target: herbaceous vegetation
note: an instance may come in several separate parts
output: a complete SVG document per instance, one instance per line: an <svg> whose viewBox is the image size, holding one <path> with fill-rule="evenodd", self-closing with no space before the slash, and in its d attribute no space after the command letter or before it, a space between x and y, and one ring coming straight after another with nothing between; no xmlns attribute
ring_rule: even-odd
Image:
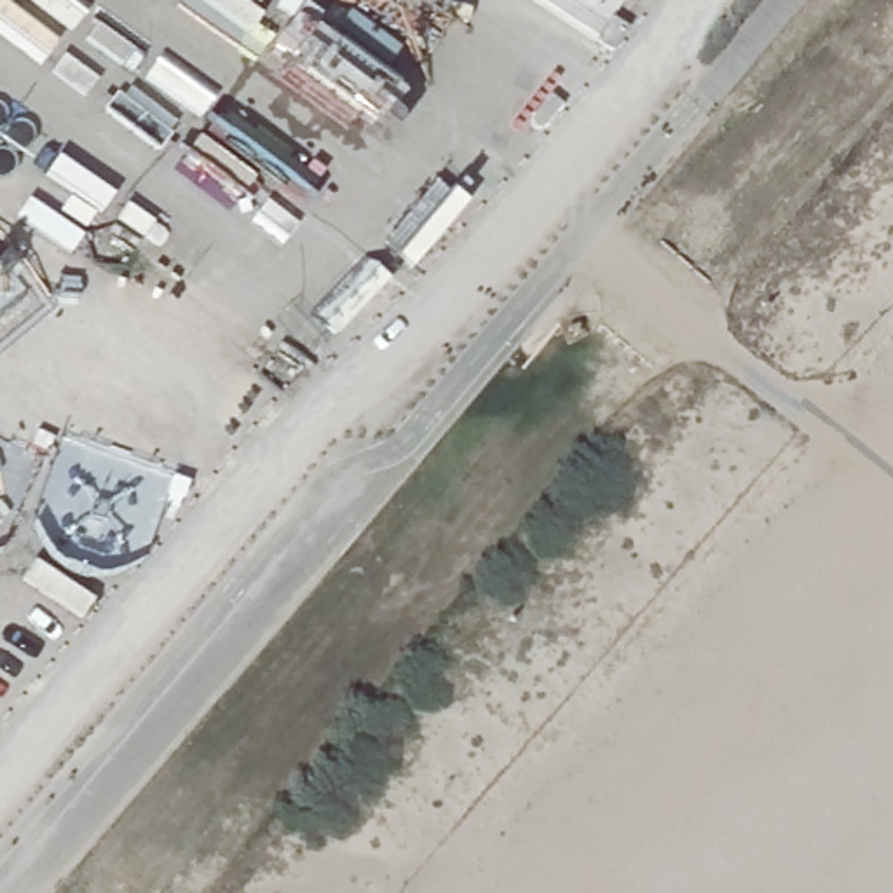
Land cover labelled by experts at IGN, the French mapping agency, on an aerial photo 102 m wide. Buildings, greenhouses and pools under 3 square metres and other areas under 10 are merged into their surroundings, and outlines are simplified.
<svg viewBox="0 0 893 893"><path fill-rule="evenodd" d="M614 394L593 394L590 380L596 373L603 338L593 331L586 314L562 317L558 335L537 359L523 352L513 352L513 359L502 363L488 387L440 436L440 443L391 495L391 502L370 520L356 544L335 562L321 586L297 607L283 631L209 708L209 715L195 726L195 733L188 733L188 740L167 757L167 764L147 781L147 788L115 816L115 823L94 841L94 848L77 862L77 869L59 883L56 893L244 893L255 872L286 872L310 848L300 834L290 834L283 823L276 823L265 837L255 823L272 809L279 792L286 792L286 778L300 771L300 764L307 764L310 753L321 753L314 746L314 736L335 726L335 705L352 694L352 680L377 684L391 666L391 656L412 649L412 638L426 635L436 614L457 596L460 576L481 562L481 551L502 537L523 534L523 516L544 492L551 492L555 467L565 464L565 457L572 453L576 436L596 426L624 429L631 450L638 453L642 474L649 478L656 453L673 450L673 443L684 436L687 412L705 401L712 387L733 387L750 405L750 419L771 419L778 408L771 401L764 401L736 373L701 359L663 366L635 387L635 394L621 401Z"/></svg>
<svg viewBox="0 0 893 893"><path fill-rule="evenodd" d="M760 0L715 0L722 14L715 28L705 35L701 63L715 63L729 49L729 42L740 35L740 28Z"/></svg>
<svg viewBox="0 0 893 893"><path fill-rule="evenodd" d="M572 638L579 645L586 642L576 624L565 621L562 607L583 607L596 600L583 590L579 572L596 551L603 551L607 537L596 527L586 530L572 558L551 558L541 565L537 586L527 593L523 614L513 614L509 607L488 596L474 610L464 610L447 624L440 642L453 652L453 666L447 670L453 701L467 691L467 673L488 673L513 684L516 670L506 666L506 659L530 663L534 645L548 645L555 638Z"/></svg>
<svg viewBox="0 0 893 893"><path fill-rule="evenodd" d="M764 335L781 317L781 283L802 276L823 279L834 255L851 244L851 230L869 216L872 195L893 181L893 0L855 0L844 10L844 17L827 17L820 28L806 35L799 56L757 91L757 112L729 115L715 136L694 140L666 171L645 171L638 185L642 195L628 195L621 202L621 223L645 244L670 248L712 290L729 283L729 335L771 366L774 352L767 349Z"/></svg>

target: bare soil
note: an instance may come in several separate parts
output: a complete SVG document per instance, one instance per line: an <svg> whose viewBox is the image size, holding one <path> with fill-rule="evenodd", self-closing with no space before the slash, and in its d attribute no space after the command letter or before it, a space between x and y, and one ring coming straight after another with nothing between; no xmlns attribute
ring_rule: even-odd
<svg viewBox="0 0 893 893"><path fill-rule="evenodd" d="M572 262L572 286L544 307L544 314L523 338L523 352L537 359L558 335L562 317L586 314L593 331L603 338L596 373L590 380L593 394L614 394L621 401L635 394L635 387L663 366L701 359L736 373L764 401L771 401L778 408L771 419L750 419L750 405L733 387L712 387L705 401L687 412L684 436L673 443L673 450L656 453L649 478L649 488L638 495L631 516L607 516L607 523L596 527L607 537L603 551L596 551L579 572L583 590L596 600L583 607L562 607L565 621L576 624L586 642L579 645L572 638L555 638L548 645L534 645L530 663L506 659L506 666L516 670L513 684L488 673L467 673L467 691L453 701L450 708L422 715L422 736L405 743L405 771L387 781L387 792L370 809L363 827L342 841L310 848L286 872L255 872L244 893L893 893L893 181L872 195L869 216L851 230L851 244L834 255L823 279L802 276L781 283L781 317L764 335L767 349L774 352L771 366L729 335L729 283L712 290L670 248L645 244L621 223L614 230L600 227L596 237L583 244L583 251Z"/></svg>

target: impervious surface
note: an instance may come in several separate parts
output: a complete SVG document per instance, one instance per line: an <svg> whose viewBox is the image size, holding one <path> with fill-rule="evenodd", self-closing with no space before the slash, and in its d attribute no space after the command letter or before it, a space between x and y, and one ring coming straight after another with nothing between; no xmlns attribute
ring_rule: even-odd
<svg viewBox="0 0 893 893"><path fill-rule="evenodd" d="M621 223L621 202L628 195L642 195L638 185L645 171L666 171L694 140L715 136L729 115L757 112L757 91L799 56L806 35L820 28L827 17L844 17L844 10L855 0L760 0L740 28L740 35L729 42L729 49L715 63L701 63L705 35L715 28L722 14L715 0L0 0L0 893L56 893L59 883L77 869L77 862L94 848L94 841L115 823L115 816L147 788L147 781L167 764L167 757L188 740L188 733L195 733L195 726L209 715L209 708L283 631L297 607L321 586L335 562L356 544L370 520L391 502L391 495L440 443L440 436L488 387L502 363L513 359L513 352L523 352L523 338L544 314L544 307L572 286L572 262L583 251L583 244L596 237L600 227L614 230Z"/></svg>

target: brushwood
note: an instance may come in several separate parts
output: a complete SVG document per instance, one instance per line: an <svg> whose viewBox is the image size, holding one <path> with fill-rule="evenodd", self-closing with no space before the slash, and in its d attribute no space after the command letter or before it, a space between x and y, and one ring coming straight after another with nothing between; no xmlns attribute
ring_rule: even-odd
<svg viewBox="0 0 893 893"><path fill-rule="evenodd" d="M440 642L447 624L464 610L474 610L488 596L509 607L513 614L523 614L527 593L537 586L541 565L551 558L572 558L586 530L596 527L607 523L607 516L631 516L638 495L649 488L649 478L642 474L638 453L631 450L624 429L596 426L576 436L572 453L565 457L565 464L555 467L551 492L544 492L523 516L523 534L502 537L481 551L481 562L460 576L457 596L436 614L426 635L412 638L412 649L391 656L391 666L377 684L352 680L352 694L335 705L335 726L314 736L314 746L321 753L310 753L307 764L300 764L300 771L286 778L286 792L279 792L272 809L255 823L265 837L276 823L283 823L290 834L300 834L310 848L342 841L363 827L370 809L387 792L387 781L405 771L405 743L422 736L422 715L450 708L453 701L447 670L453 666L453 652Z"/></svg>

